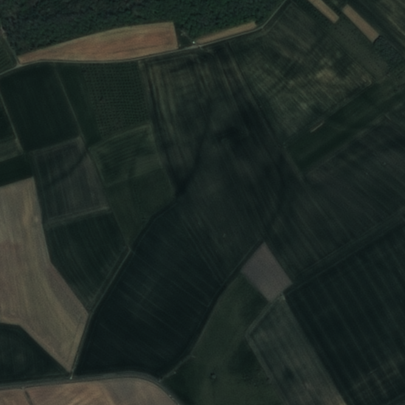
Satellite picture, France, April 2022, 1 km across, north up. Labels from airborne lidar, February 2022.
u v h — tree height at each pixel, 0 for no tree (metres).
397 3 0
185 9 21
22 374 0
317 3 0
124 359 0
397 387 0
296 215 0
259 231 0
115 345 0
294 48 0
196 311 0
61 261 0
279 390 0
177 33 0
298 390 0
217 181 0
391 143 0
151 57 0
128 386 0
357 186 0
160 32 0
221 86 0
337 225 0
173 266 0
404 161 0
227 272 0
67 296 0
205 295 0
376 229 0
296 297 0
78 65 0
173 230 0
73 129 0
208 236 0
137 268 0
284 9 0
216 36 0
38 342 0
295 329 0
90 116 0
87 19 26
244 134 0
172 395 0
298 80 0
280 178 0
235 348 0
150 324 0
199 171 0
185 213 0
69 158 0
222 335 0
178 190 0
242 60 0
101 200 0
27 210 0
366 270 0
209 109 0
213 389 0
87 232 0
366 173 0
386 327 0
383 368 0
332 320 0
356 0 0
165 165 0
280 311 0
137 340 0
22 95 0
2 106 0
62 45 0
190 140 0
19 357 0
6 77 0
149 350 0
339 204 0
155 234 0
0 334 0
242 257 0
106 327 0
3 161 0
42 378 0
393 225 0
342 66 0
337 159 0
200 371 0
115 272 0
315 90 0
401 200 0
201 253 0
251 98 0
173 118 0
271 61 0
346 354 0
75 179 0
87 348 0
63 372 0
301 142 0
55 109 0
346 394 0
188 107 0
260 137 0
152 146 0
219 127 0
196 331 0
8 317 0
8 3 25
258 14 23
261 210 0
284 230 0
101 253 0
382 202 0
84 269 0
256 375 0
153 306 0
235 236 0
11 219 0
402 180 0
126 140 0
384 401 0
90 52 0
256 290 0
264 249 0
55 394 0
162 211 0
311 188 0
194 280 0
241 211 0
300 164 0
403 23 0
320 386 0
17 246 0
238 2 24
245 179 0
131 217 0
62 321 0
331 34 0
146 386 0
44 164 0
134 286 0
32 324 0
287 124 0
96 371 0
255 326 0
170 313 0
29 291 0
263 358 0
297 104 0
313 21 0
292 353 0
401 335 0
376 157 0
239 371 0
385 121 0
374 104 0
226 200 0
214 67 0
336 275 0
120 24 23
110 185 0
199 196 0
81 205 0
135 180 0
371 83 0
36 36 25
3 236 0
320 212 0
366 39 0
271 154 0
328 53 0
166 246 0
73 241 0
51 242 0
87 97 0
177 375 0
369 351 0
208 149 0
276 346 0
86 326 0
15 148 0
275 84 0
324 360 0
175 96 0
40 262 0
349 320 0
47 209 0
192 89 0
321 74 0
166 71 0
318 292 0
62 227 0
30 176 0
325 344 0
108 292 0
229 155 0
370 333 0
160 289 0
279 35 0
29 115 0
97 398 0
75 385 0
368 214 0
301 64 0
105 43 0
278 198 0
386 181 0
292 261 0
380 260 0
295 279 0
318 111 0
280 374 0
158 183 0
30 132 0
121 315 0
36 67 0
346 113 0
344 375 0
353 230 0
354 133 0
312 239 0
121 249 0
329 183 0
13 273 0
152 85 0
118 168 0
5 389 0
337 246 0
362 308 0
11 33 20
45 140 0
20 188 0
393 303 0
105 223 0
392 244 0
